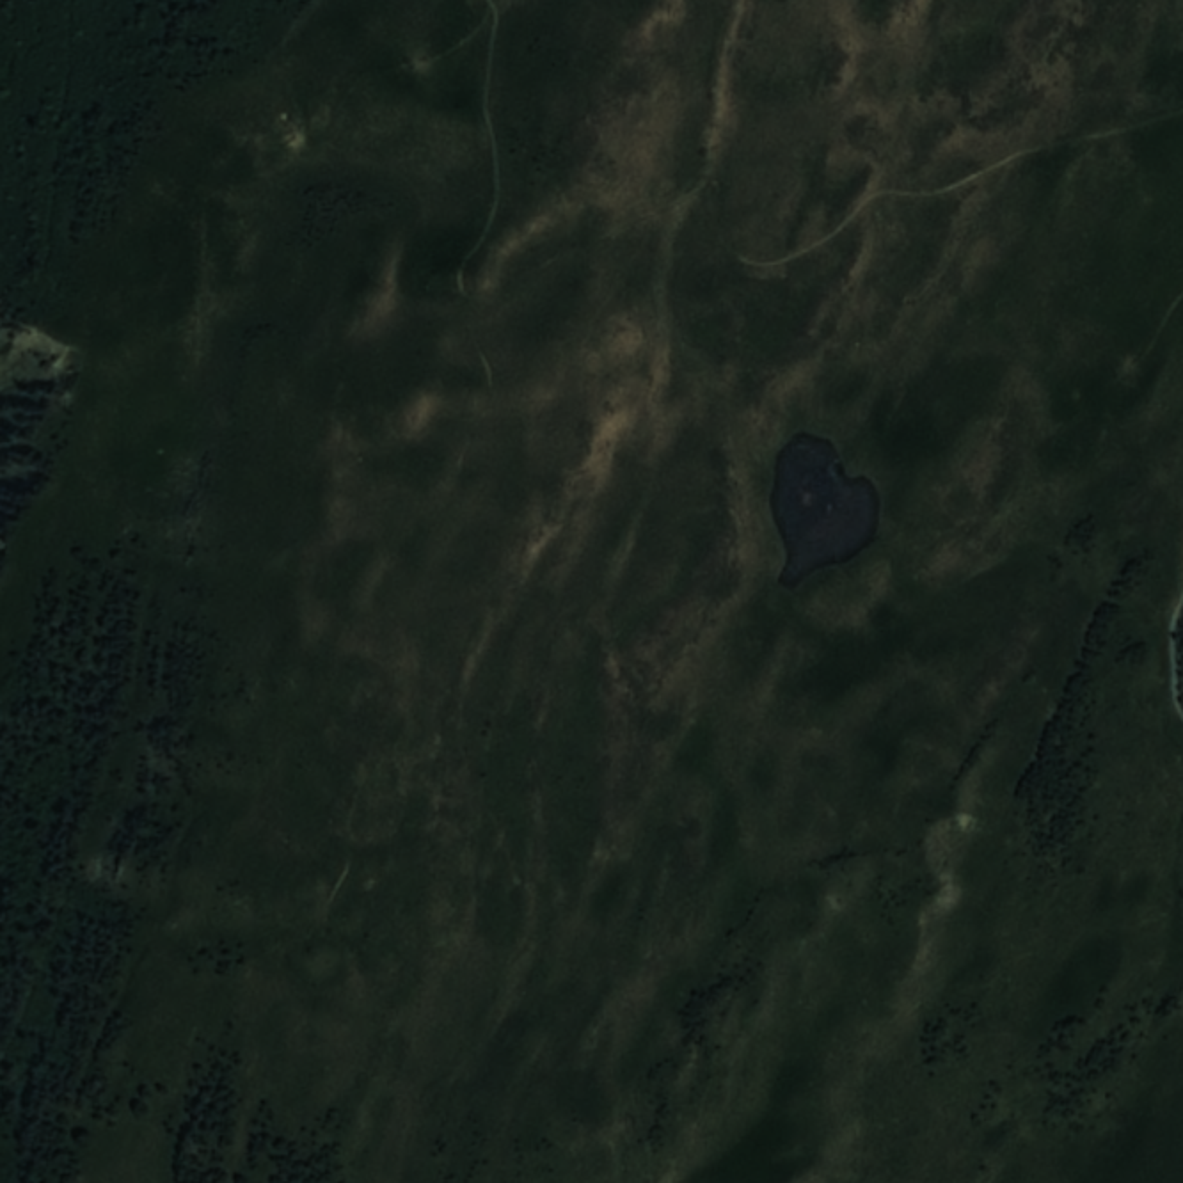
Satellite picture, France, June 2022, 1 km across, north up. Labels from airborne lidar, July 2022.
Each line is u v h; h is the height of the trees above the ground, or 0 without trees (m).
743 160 0
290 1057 0
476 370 0
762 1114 0
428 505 0
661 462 0
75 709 9
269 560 0
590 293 0
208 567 0
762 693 0
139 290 0
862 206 0
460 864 0
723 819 0
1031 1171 0
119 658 11
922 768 0
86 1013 8
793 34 0
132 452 0
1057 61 0
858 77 0
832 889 0
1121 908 0
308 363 0
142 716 0
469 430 0
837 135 0
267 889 0
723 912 0
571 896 0
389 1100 0
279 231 0
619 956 0
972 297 0
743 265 0
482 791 0
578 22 0
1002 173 0
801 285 0
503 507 0
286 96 0
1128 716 0
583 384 0
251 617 0
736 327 0
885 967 0
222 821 0
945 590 0
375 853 0
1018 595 0
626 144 0
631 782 0
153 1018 0
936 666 0
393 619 0
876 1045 0
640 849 0
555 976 0
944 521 0
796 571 0
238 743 0
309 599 0
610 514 0
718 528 0
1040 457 0
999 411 0
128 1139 0
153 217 0
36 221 7
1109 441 0
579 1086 0
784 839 0
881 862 0
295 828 0
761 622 0
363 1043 0
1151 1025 0
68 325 0
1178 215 0
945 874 0
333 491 0
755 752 0
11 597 0
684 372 0
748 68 0
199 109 0
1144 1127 0
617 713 0
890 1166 0
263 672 0
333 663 0
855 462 0
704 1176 0
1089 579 0
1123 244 0
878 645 0
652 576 0
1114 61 0
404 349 0
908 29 0
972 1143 0
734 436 0
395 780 0
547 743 0
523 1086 0
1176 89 0
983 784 0
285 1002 0
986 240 0
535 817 0
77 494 0
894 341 0
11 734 22
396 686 0
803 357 0
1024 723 0
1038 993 0
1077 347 0
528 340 0
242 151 0
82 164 5
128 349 0
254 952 0
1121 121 0
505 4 0
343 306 0
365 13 0
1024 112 0
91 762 6
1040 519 0
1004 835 0
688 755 0
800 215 0
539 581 0
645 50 0
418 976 0
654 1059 0
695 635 0
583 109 0
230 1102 13
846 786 0
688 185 0
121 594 10
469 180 0
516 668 0
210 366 0
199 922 0
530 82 0
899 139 0
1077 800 10
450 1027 0
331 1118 9
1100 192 0
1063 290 0
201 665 8
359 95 0
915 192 0
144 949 0
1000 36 0
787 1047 0
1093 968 0
